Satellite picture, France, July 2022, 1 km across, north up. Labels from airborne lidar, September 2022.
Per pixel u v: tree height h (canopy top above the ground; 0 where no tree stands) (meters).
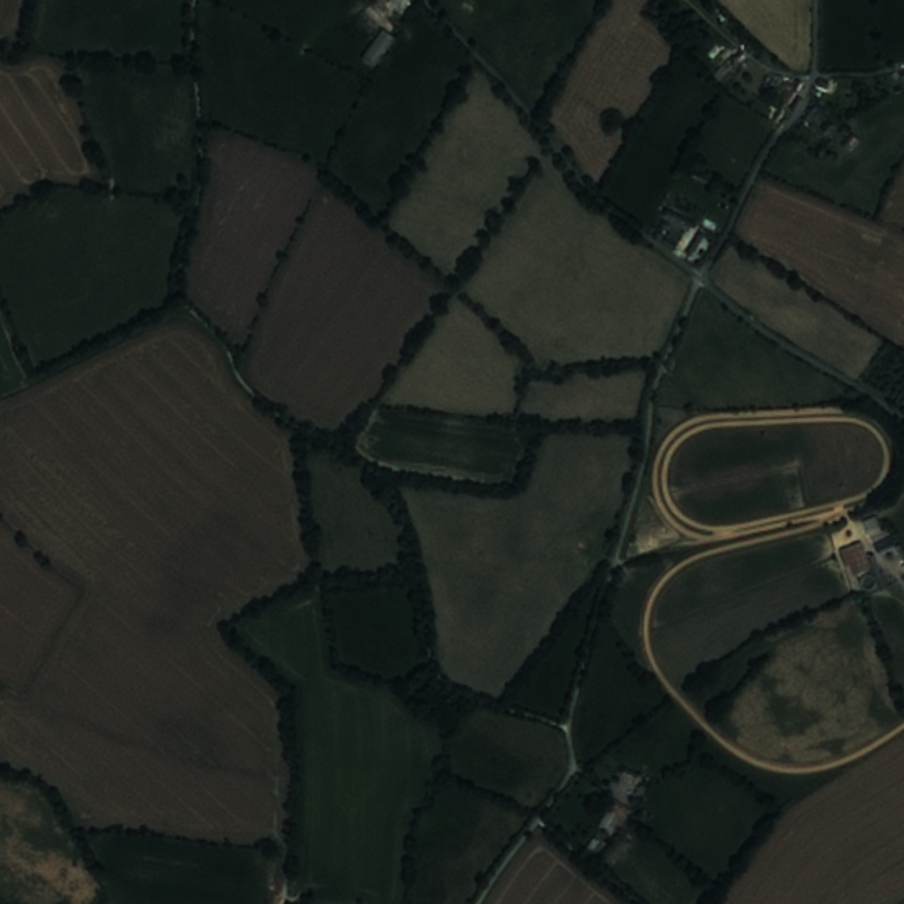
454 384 0
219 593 0
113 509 0
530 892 0
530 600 0
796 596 0
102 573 0
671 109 0
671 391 0
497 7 0
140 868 0
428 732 0
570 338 0
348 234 0
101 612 0
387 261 0
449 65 0
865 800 0
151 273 0
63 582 0
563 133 0
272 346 0
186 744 0
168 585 0
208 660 0
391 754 0
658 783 5
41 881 0
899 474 20
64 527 0
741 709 0
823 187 0
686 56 12
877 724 0
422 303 0
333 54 0
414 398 0
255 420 0
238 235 0
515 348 16
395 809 0
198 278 0
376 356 0
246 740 0
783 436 0
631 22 0
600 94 0
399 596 0
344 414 0
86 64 14
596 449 0
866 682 0
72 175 0
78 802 0
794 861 0
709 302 0
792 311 0
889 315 0
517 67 0
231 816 0
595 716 0
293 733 15
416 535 10
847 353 0
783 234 0
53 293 0
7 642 0
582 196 19
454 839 0
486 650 0
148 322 19
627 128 16
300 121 0
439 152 0
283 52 0
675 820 0
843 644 0
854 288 0
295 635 0
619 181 0
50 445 0
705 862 0
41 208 0
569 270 0
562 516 0
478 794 7
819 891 0
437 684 11
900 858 0
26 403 0
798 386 0
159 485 0
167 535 0
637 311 0
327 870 0
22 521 0
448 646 0
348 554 0
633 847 0
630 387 0
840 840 0
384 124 0
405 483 14
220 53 0
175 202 18
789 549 0
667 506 0
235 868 0
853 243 0
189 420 0
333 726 0
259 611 18
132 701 0
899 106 0
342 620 0
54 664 0
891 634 0
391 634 0
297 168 0
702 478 0
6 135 0
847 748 0
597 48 0
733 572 0
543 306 0
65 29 0
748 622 0
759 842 13
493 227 17
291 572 0
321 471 0
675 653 0
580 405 0
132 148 0
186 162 0
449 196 0
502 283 0
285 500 0
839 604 10
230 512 0
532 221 0
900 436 21
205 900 0
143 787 0
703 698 0
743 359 0
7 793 0
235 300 0
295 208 0
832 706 0
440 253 0
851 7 0
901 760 0
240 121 0
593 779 6
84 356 12
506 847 6
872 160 0
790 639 0
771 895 0
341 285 0
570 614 15
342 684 0
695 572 0
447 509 0
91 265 0
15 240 0
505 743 0
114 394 0
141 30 0
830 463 0
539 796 0
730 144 0
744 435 0
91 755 0
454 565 0
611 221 11
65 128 0
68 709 0
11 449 0
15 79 0
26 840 0
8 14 0
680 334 6
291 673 0
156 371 0
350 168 0
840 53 0
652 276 0
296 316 0
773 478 0
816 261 0
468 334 0
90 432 0
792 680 0
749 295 0
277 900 0
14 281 0
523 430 15
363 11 0
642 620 0
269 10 0
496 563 0
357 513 0
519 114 10
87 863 13
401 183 21
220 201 0
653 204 0
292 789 9
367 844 0
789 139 6
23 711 0
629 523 0
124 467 0
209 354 0
